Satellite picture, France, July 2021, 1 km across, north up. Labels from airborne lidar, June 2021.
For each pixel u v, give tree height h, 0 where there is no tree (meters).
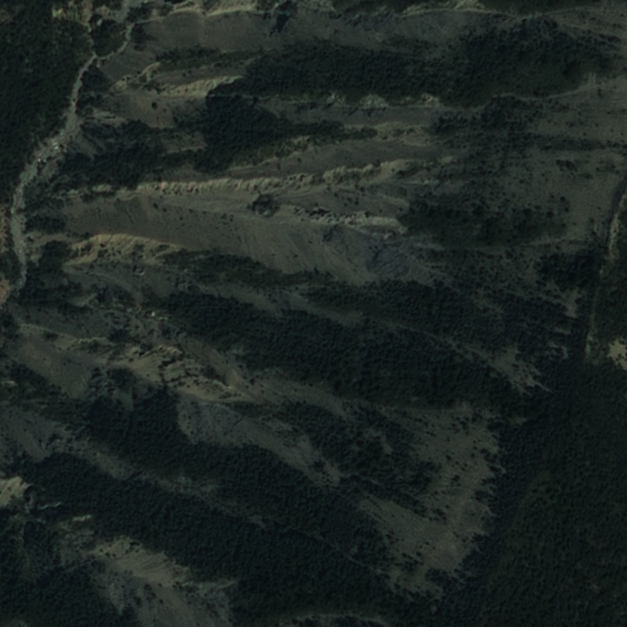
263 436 0
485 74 6
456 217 12
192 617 0
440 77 6
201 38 0
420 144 0
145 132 7
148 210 0
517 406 10
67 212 0
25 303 8
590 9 0
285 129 6
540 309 13
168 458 9
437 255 10
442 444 0
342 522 15
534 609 15
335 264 0
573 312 0
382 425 12
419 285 10
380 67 9
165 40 0
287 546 23
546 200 0
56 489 10
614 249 0
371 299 6
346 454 10
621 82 0
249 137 6
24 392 9
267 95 6
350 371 11
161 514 13
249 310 8
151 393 7
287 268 0
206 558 11
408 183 0
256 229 0
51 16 7
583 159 0
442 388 15
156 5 0
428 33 0
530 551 11
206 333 8
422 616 6
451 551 0
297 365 8
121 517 9
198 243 0
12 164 11
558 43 9
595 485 8
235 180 0
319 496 16
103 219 0
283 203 0
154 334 0
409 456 6
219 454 8
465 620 8
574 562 13
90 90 10
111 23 15
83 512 6
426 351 9
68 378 0
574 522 16
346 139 7
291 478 19
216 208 0
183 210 0
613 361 8
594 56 8
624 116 0
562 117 0
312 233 0
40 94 8
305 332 5
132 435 8
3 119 13
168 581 0
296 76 6
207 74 0
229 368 0
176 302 7
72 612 11
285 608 8
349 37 0
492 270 8
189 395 0
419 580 0
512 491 10
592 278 9
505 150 7
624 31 0
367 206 0
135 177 7
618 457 8
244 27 0
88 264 0
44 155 0
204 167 8
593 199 0
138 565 0
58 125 6
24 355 0
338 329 8
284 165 0
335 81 8
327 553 21
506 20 0
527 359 7
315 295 8
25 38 9
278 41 0
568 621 6
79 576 8
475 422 7
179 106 0
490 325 9
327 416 8
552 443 9
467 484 0
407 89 8
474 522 0
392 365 8
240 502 6
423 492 6
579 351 8
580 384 9
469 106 7
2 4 7
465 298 7
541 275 8
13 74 15
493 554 9
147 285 0
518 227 7
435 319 12
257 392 0
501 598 11
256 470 12
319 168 0
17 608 11
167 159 10
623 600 8
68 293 10
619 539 11
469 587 8
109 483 12
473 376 12
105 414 20
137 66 0
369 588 17
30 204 7
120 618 7
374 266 0
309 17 0
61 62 11
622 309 10
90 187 7
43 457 0
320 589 19
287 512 10
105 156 9
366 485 8
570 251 0
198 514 8
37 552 5
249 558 23
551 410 14
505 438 12
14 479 0
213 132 10
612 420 13
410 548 0
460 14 0
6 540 10
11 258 9
